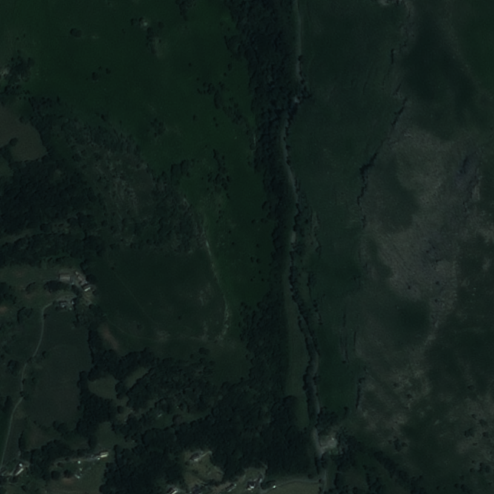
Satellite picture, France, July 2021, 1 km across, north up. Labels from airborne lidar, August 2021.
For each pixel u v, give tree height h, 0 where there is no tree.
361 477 0
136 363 23
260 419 21
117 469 9
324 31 0
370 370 0
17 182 17
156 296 0
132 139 19
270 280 7
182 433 24
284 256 9
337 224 0
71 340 0
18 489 0
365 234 0
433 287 0
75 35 12
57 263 20
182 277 0
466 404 0
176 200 8
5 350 12
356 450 13
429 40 0
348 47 0
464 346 0
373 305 0
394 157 0
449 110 0
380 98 0
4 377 0
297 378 0
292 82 10
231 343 0
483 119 0
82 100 0
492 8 0
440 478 0
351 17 0
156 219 9
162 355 0
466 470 0
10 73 8
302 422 0
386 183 0
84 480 0
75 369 0
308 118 0
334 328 0
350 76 0
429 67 0
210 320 0
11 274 0
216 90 23
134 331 0
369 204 0
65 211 27
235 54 13
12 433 0
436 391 0
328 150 0
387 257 0
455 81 0
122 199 0
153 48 10
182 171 15
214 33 0
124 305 0
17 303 16
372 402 0
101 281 0
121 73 0
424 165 0
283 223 15
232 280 0
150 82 0
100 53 0
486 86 0
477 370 0
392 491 0
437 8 0
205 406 25
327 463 22
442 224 0
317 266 0
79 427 20
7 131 0
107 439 0
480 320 0
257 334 22
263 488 12
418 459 0
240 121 35
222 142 0
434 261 0
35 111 8
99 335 18
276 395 26
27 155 0
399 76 0
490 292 0
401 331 0
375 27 0
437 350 0
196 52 0
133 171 0
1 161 15
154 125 10
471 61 0
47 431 8
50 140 12
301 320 12
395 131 0
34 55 0
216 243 0
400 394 0
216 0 0
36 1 0
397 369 0
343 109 0
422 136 0
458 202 0
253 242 0
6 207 25
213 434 14
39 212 20
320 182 0
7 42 0
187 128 0
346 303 0
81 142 10
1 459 0
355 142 0
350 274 0
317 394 10
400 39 0
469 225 0
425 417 0
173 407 19
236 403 25
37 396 0
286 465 15
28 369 0
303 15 0
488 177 0
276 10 8
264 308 21
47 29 0
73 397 0
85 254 19
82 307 17
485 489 0
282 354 18
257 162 24
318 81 0
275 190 21
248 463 15
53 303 7
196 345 0
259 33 14
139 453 16
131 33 0
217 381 0
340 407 0
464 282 0
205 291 0
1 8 0
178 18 0
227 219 0
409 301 0
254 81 16
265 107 11
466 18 0
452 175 0
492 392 0
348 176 0
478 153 0
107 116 11
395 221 0
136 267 0
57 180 17
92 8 0
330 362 0
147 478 21
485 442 0
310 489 0
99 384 0
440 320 0
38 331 0
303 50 0
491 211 0
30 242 18
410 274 0
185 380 24
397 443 9
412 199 0
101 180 9
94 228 20
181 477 16
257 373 19
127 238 0
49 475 17
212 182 18
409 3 0
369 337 0
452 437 0
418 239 0
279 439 23
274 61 9
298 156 0
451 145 0
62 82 0
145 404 23
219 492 0
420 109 0
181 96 0
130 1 0
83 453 9
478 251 0
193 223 6
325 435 9
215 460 14
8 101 12
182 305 0
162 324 0
